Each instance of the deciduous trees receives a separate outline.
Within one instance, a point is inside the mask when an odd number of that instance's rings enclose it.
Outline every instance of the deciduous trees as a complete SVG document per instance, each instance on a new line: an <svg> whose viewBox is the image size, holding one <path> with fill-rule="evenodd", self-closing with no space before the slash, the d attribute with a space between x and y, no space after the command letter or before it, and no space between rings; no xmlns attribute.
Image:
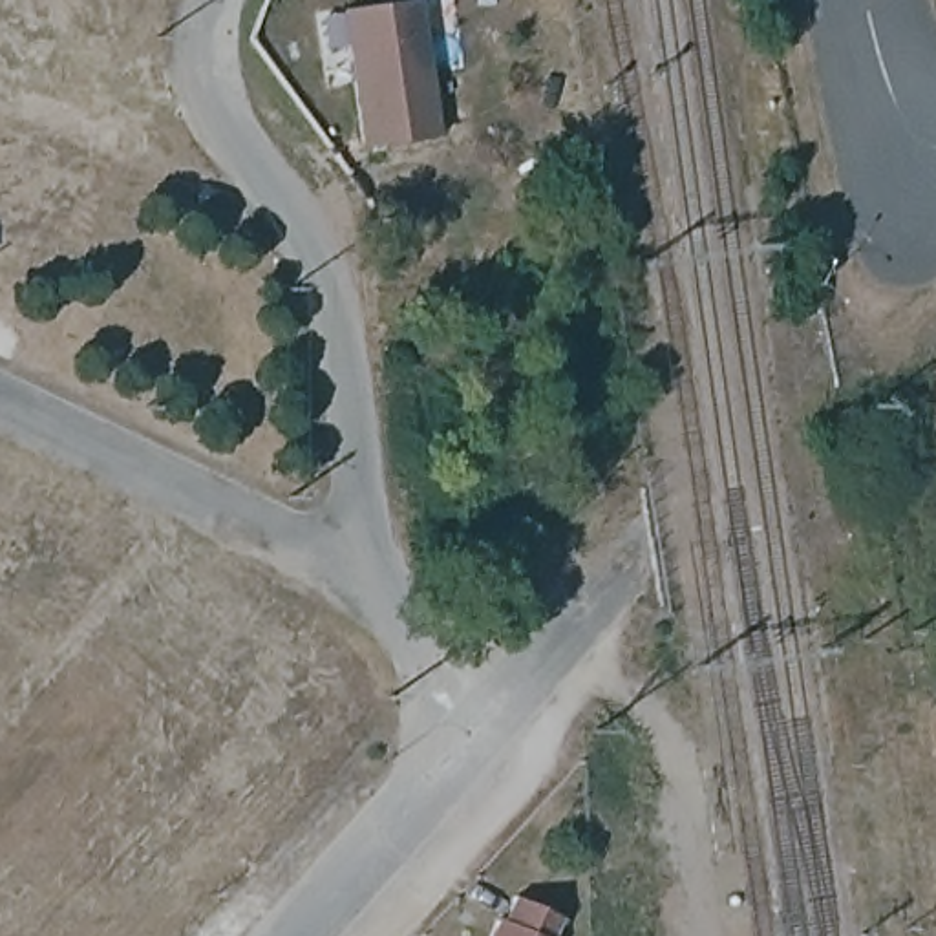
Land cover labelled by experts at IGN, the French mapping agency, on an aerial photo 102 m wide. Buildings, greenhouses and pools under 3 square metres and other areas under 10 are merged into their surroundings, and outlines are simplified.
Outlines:
<svg viewBox="0 0 936 936"><path fill-rule="evenodd" d="M113 380L121 395L154 391L157 417L190 424L208 450L234 450L252 435L238 424L230 402L201 406L194 384L186 384L183 377L157 377L135 362L113 362L88 340L77 351L80 380Z"/></svg>
<svg viewBox="0 0 936 936"><path fill-rule="evenodd" d="M797 201L782 194L797 168L793 150L771 154L757 212L771 223L768 241L782 241L782 252L771 252L768 260L771 311L775 322L790 325L819 311L812 293L823 289L834 274L830 238L826 230L797 219Z"/></svg>
<svg viewBox="0 0 936 936"><path fill-rule="evenodd" d="M26 282L15 285L15 303L26 318L48 322L66 303L102 303L113 289L121 289L121 282L113 282L106 271L95 271L91 256L84 252L73 256L73 274L59 282L37 282L26 274Z"/></svg>
<svg viewBox="0 0 936 936"><path fill-rule="evenodd" d="M574 823L563 819L545 834L541 859L548 867L589 870L603 852L592 852L574 834Z"/></svg>
<svg viewBox="0 0 936 936"><path fill-rule="evenodd" d="M252 249L252 241L219 230L201 212L176 208L172 197L154 190L139 208L143 230L172 230L183 249L197 256L219 252L219 260L234 271L249 271L263 256Z"/></svg>
<svg viewBox="0 0 936 936"><path fill-rule="evenodd" d="M406 271L424 252L424 245L435 245L439 238L431 223L395 216L395 205L373 201L373 208L358 219L358 267L358 271L399 278L399 271Z"/></svg>
<svg viewBox="0 0 936 936"><path fill-rule="evenodd" d="M867 377L859 384L859 395L823 406L808 420L804 435L808 450L823 464L826 494L834 505L834 512L826 512L837 537L830 596L837 600L841 614L859 614L878 603L910 611L899 625L914 629L918 647L907 651L907 673L892 680L892 691L925 695L936 702L936 384L929 384L914 369L903 369L896 377Z"/></svg>
<svg viewBox="0 0 936 936"><path fill-rule="evenodd" d="M293 344L300 340L300 325L293 311L282 303L282 282L274 274L263 282L260 307L260 325L274 344L271 355L260 362L260 373L278 391L282 420L274 428L285 439L274 453L274 468L282 475L296 472L311 483L329 475L329 464L314 461L311 450L307 399L300 388L303 362L296 358Z"/></svg>
<svg viewBox="0 0 936 936"><path fill-rule="evenodd" d="M775 0L739 0L742 33L764 55L786 55L793 48L790 22Z"/></svg>
<svg viewBox="0 0 936 936"><path fill-rule="evenodd" d="M468 311L464 303L450 303L431 282L420 289L424 311L406 311L406 322L388 336L380 373L377 402L384 420L388 505L395 527L410 537L413 567L410 592L399 607L399 618L406 622L410 636L435 640L457 665L483 665L490 644L523 651L530 644L530 633L537 633L548 622L537 592L527 581L527 570L519 559L512 559L497 570L497 545L468 534L468 519L475 519L483 508L512 494L534 494L541 505L556 512L563 512L574 523L585 519L592 494L585 490L585 483L614 468L629 453L636 424L647 420L651 410L662 402L665 388L651 366L644 366L647 351L662 344L647 325L647 278L636 274L636 260L629 256L633 230L633 223L614 208L614 186L603 168L603 150L592 150L585 139L559 132L545 139L534 172L519 186L516 208L523 216L523 230L494 256L501 267L530 274L537 282L537 296L527 318L512 311ZM600 336L611 340L611 362L603 377L607 402L596 413L578 417L574 380L563 366L567 355L552 344L548 318L567 318L570 311L585 307L600 307Z"/></svg>

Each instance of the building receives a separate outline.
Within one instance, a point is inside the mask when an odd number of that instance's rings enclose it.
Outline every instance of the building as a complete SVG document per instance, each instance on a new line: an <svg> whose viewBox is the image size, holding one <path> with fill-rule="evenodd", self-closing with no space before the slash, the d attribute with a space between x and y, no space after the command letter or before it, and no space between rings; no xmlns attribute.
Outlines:
<svg viewBox="0 0 936 936"><path fill-rule="evenodd" d="M574 936L574 914L559 914L527 896L508 896L512 914L494 918L486 936Z"/></svg>
<svg viewBox="0 0 936 936"><path fill-rule="evenodd" d="M344 11L351 18L351 73L358 77L362 95L355 117L380 117L384 139L399 146L410 146L413 139L439 139L450 132L450 124L442 121L435 80L435 69L450 62L442 0L399 0Z"/></svg>

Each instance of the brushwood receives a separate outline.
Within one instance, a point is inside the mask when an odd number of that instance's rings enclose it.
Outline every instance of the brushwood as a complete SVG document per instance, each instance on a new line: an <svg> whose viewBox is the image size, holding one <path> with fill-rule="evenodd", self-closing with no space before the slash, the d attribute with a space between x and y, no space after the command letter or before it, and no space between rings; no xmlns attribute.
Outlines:
<svg viewBox="0 0 936 936"><path fill-rule="evenodd" d="M585 307L570 311L567 318L548 318L552 344L567 355L563 366L574 380L578 417L596 413L607 402L603 377L611 362L611 340L600 336L600 307Z"/></svg>
<svg viewBox="0 0 936 936"><path fill-rule="evenodd" d="M596 739L585 757L589 793L611 804L614 812L629 812L629 742Z"/></svg>
<svg viewBox="0 0 936 936"><path fill-rule="evenodd" d="M541 552L541 534L556 512L541 505L534 494L512 494L483 508L475 519L468 519L468 534L497 545L497 570L512 559L519 559L527 570Z"/></svg>
<svg viewBox="0 0 936 936"><path fill-rule="evenodd" d="M512 311L527 318L537 296L537 282L530 274L501 267L494 256L446 260L446 267L435 271L431 282L450 303L464 303L468 311Z"/></svg>

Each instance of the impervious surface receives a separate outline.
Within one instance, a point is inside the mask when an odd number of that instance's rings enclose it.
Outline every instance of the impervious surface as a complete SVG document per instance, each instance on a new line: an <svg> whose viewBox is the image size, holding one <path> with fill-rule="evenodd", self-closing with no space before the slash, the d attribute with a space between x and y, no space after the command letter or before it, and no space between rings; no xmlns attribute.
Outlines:
<svg viewBox="0 0 936 936"><path fill-rule="evenodd" d="M139 424L135 417L124 417L95 395L80 395L44 373L18 366L15 358L7 358L15 351L15 333L7 322L0 322L0 435L11 435L40 453L59 450L55 457L69 468L84 468L88 483L117 483L128 505L161 508L172 527L186 523L201 534L216 530L219 541L230 545L230 552L267 563L278 574L285 574L293 589L318 592L329 607L362 618L391 654L395 673L402 676L399 684L406 695L399 709L399 757L377 782L377 793L344 823L344 830L300 870L300 878L271 907L263 903L263 896L249 896L245 888L238 888L234 903L227 903L194 936L413 936L428 910L468 874L479 852L497 837L497 830L548 779L563 750L563 735L570 720L581 713L581 706L603 695L633 713L647 698L640 684L647 680L647 673L633 669L633 662L622 654L622 633L636 603L647 592L651 570L658 570L647 494L640 490L640 516L622 534L614 534L607 545L585 545L574 552L581 589L548 622L537 633L530 633L530 644L523 651L490 644L483 665L457 665L435 640L410 636L406 622L399 618L399 607L410 592L413 567L410 537L395 527L388 505L384 420L377 402L380 373L373 373L366 347L366 318L355 289L358 271L358 267L351 263L344 241L329 227L307 183L285 165L278 146L252 117L238 59L238 18L245 0L183 0L176 29L176 62L165 73L165 91L176 91L176 113L219 165L219 183L238 186L249 208L267 208L285 223L285 238L278 245L289 260L278 263L274 274L282 282L282 303L293 311L300 325L300 340L293 344L296 358L303 362L300 388L307 399L311 450L314 461L329 464L329 475L311 483L303 494L271 486L241 472L238 464L223 464L194 446L183 446Z"/></svg>
<svg viewBox="0 0 936 936"><path fill-rule="evenodd" d="M856 234L848 241L848 252L863 260L874 282L892 289L925 285L936 278L936 0L815 0L815 18L801 40L812 44L819 99L834 139L834 194L848 197L856 208Z"/></svg>

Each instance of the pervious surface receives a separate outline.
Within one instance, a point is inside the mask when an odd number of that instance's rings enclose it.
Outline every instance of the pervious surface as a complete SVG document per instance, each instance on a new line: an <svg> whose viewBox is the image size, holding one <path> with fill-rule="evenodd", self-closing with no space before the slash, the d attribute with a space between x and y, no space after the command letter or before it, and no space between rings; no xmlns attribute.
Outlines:
<svg viewBox="0 0 936 936"><path fill-rule="evenodd" d="M665 698L647 698L633 713L636 724L651 731L651 746L665 775L658 797L662 823L654 826L654 841L669 848L669 867L676 874L673 888L662 896L665 936L867 936L856 925L852 903L856 856L848 856L845 841L845 797L834 790L830 775L834 706L823 662L837 658L841 647L826 647L815 592L801 589L793 556L790 486L782 479L779 435L790 431L779 413L782 395L771 384L771 373L775 336L790 325L775 322L771 311L768 260L771 252L782 252L782 241L768 241L771 223L757 212L750 212L746 197L750 154L739 135L746 128L746 117L735 102L739 62L746 59L746 51L731 40L724 0L603 0L607 40L618 66L611 84L618 84L622 95L614 110L633 113L636 135L644 139L640 165L651 201L651 223L644 230L633 230L629 256L636 260L636 274L647 278L647 325L662 344L647 351L644 366L651 366L665 388L662 402L651 410L647 420L654 431L662 472L640 472L640 490L647 494L658 570L651 570L647 592L636 603L654 607L669 600L665 622L684 625L687 633L687 651L680 658L687 669L684 676L702 695L702 720L691 720L687 728L673 720Z"/></svg>

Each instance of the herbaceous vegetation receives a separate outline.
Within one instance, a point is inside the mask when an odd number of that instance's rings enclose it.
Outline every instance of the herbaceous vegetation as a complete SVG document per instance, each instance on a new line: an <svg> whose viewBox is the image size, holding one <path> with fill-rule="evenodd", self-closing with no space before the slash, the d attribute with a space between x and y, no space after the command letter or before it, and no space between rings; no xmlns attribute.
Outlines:
<svg viewBox="0 0 936 936"><path fill-rule="evenodd" d="M629 453L614 468L585 483L585 490L592 494L585 519L574 523L563 512L556 512L541 534L541 552L527 570L527 581L537 592L548 622L581 589L574 552L585 545L607 545L614 534L622 534L640 516L640 490L640 472L662 472L654 431L647 420L636 424Z"/></svg>
<svg viewBox="0 0 936 936"><path fill-rule="evenodd" d="M841 614L837 600L830 596L837 537L826 512L834 512L834 505L826 494L823 464L808 450L804 435L808 420L823 406L859 395L859 384L867 377L896 377L903 369L914 369L929 384L936 384L936 278L925 285L892 289L874 282L863 260L848 252L848 241L856 234L856 208L848 197L834 194L834 139L819 99L812 44L801 40L815 18L815 0L775 0L790 22L793 48L786 55L764 55L742 33L739 0L724 0L731 40L746 51L746 59L739 62L735 102L746 117L746 128L739 135L750 154L746 197L750 212L757 212L771 154L793 150L797 168L782 194L797 201L797 219L826 230L830 238L834 274L823 289L812 293L819 311L790 325L775 336L771 373L771 384L782 395L779 413L790 431L779 435L782 479L790 486L793 556L801 589L815 592L826 647L841 647L837 658L823 662L834 706L830 775L834 790L845 797L845 841L848 856L856 856L852 903L856 925L867 936L936 936L936 702L925 695L892 691L892 680L907 673L907 651L918 647L914 629L899 625L910 611L878 603L859 614Z"/></svg>
<svg viewBox="0 0 936 936"><path fill-rule="evenodd" d="M176 29L183 0L0 0L0 322L7 322L15 333L15 351L7 358L15 358L18 366L44 373L80 395L95 395L124 417L135 417L139 424L183 446L194 446L223 464L238 464L241 472L271 486L303 494L311 483L296 472L282 475L274 468L274 453L285 439L274 428L282 420L278 391L260 373L260 362L271 355L274 344L260 325L260 307L263 282L274 274L278 263L289 260L278 245L285 238L285 223L267 208L249 208L238 186L219 183L219 165L176 113L176 91L165 91L165 73L176 62ZM139 208L154 190L172 197L176 208L201 212L219 230L252 241L252 249L263 256L249 271L234 271L219 260L219 252L197 256L183 249L172 230L143 230ZM37 282L59 282L73 274L73 256L84 252L91 256L95 271L106 271L113 282L121 282L121 289L113 289L102 303L66 303L48 322L26 318L15 303L15 285L26 282L26 274ZM121 395L113 380L80 380L77 351L88 340L113 362L135 362L157 377L183 377L186 384L194 384L201 406L230 402L238 424L252 435L234 450L208 450L190 424L157 417L154 391Z"/></svg>
<svg viewBox="0 0 936 936"><path fill-rule="evenodd" d="M344 823L377 793L377 782L399 757L399 709L406 695L399 684L402 676L395 673L391 654L362 618L329 607L318 592L293 589L285 574L278 574L267 563L230 552L230 545L219 541L216 530L201 534L186 523L172 527L161 508L128 505L117 483L88 483L84 468L69 468L55 457L59 450L40 453L11 435L0 435L0 936L194 936L227 903L234 903L238 888L245 888L249 896L263 896L263 903L271 907L300 878L300 870L344 830Z"/></svg>
<svg viewBox="0 0 936 936"><path fill-rule="evenodd" d="M611 804L589 793L585 757L596 739L629 742L629 812L614 812ZM676 874L669 867L669 848L654 841L654 826L662 823L658 797L665 775L651 746L651 731L636 724L633 713L603 695L581 706L581 713L570 720L563 735L563 750L548 779L497 830L497 837L479 852L468 874L428 910L413 936L486 936L494 918L512 914L508 896L527 896L559 914L574 914L574 936L665 936L662 896L673 888ZM574 834L592 852L603 852L589 870L548 867L541 859L545 834L563 819L574 823Z"/></svg>
<svg viewBox="0 0 936 936"><path fill-rule="evenodd" d="M420 289L431 282L435 271L446 267L446 260L494 256L523 230L523 216L516 208L519 186L534 172L545 139L559 132L585 139L592 150L603 150L603 168L614 186L614 208L633 223L633 230L644 230L651 223L651 201L640 165L644 139L636 135L633 113L614 110L622 95L618 84L611 84L618 66L607 40L603 0L442 0L450 62L435 69L435 80L442 121L450 124L450 132L439 139L413 139L410 146L399 146L384 139L380 117L355 117L362 95L358 77L351 73L351 18L344 11L399 0L245 0L238 18L238 59L252 117L278 146L285 165L307 183L329 227L344 241L351 263L358 267L358 219L373 208L373 201L395 205L395 216L431 223L439 238L435 245L424 245L424 252L406 271L399 271L399 278L358 271L355 289L366 318L366 347L373 373L380 373L388 336L406 322L406 311L424 311Z"/></svg>
<svg viewBox="0 0 936 936"><path fill-rule="evenodd" d="M647 680L640 684L647 698L665 698L673 720L687 728L691 720L702 720L702 695L684 676L687 669L680 658L687 651L687 633L684 625L665 622L669 600L654 607L636 603L622 633L622 654L633 662L633 669L647 673Z"/></svg>

